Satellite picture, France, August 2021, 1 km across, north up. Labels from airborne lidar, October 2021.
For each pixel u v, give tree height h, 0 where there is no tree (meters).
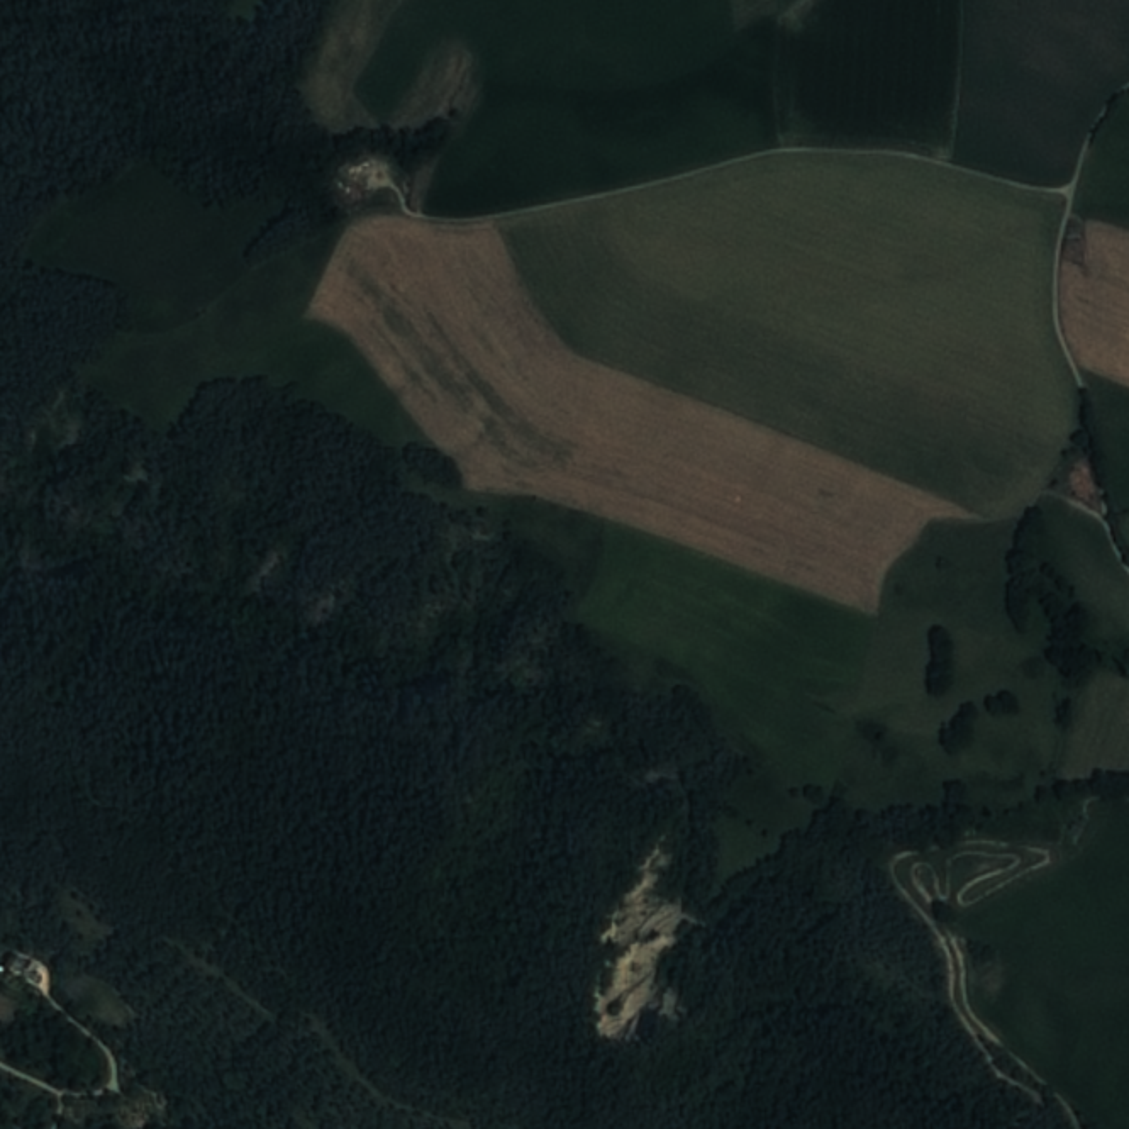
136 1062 9
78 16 13
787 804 0
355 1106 12
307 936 21
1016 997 0
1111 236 0
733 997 10
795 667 0
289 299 0
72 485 28
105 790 14
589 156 0
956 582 0
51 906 18
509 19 0
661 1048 16
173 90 14
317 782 21
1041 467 0
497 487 0
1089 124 0
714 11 0
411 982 17
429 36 0
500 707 22
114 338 21
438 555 21
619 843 13
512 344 0
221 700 26
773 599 0
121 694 14
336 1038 6
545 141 0
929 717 0
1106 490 12
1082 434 11
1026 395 0
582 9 0
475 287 0
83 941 9
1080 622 19
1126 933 0
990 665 0
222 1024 12
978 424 0
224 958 15
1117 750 0
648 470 0
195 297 0
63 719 17
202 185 13
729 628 0
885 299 0
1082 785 11
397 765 27
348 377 0
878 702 0
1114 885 0
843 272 0
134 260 0
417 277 0
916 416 0
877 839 13
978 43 0
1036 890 0
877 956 8
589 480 0
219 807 24
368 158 0
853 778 0
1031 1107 17
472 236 0
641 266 0
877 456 0
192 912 17
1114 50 0
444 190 0
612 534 0
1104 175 0
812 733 0
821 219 0
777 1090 18
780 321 0
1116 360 0
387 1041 15
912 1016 11
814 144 0
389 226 0
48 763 16
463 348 0
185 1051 14
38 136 27
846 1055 27
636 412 0
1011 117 0
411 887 13
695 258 0
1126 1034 0
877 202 0
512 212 0
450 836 13
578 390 0
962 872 0
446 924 17
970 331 0
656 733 20
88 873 14
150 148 19
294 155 18
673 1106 7
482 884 20
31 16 12
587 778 19
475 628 10
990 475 0
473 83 0
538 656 9
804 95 0
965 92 0
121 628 16
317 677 32
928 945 8
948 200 0
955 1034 12
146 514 14
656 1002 0
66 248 0
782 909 18
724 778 14
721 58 0
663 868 8
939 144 0
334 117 0
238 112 18
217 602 13
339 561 19
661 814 13
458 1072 13
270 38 23
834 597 0
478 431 0
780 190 0
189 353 0
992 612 0
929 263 0
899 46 0
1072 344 0
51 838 14
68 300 21
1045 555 0
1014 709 11
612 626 0
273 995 13
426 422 0
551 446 0
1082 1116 11
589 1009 9
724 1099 15
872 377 0
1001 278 0
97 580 19
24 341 19
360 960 12
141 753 29
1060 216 0
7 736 14
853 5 0
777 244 0
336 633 13
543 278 0
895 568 0
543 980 15
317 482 22
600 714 17
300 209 12
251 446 22
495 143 0
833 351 0
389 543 21
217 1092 13
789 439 0
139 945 19
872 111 0
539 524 0
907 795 0
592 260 0
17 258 15
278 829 22
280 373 0
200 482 18
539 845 14
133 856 16
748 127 0
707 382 0
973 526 0
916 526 0
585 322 0
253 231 0
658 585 0
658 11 0
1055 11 0
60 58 21
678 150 0
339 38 0
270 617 14
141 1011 12
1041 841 0
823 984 18
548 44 0
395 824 22
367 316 0
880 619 0
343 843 25
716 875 13
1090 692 0
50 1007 5
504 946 17
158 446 20
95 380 0
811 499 0
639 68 0
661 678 0
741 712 0
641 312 0
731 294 0
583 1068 20
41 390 19
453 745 15
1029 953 0
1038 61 0
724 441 0
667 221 0
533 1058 13
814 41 0
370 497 19
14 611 14
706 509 0
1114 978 0
